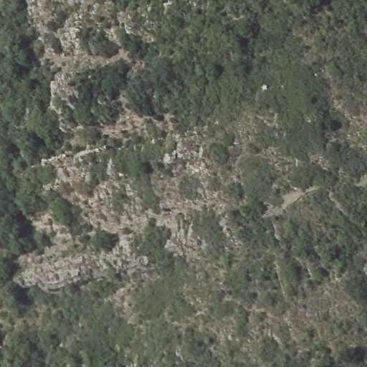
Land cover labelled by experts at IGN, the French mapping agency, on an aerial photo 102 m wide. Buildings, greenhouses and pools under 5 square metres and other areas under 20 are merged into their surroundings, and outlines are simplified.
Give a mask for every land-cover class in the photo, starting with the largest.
<instances>
[{"label":"brushwood","instance_id":"1","mask_svg":"<svg viewBox=\"0 0 367 367\"><path fill-rule=\"evenodd\" d=\"M245 23L259 24V34L254 47L255 59L249 75L244 72V67L239 62L241 47L238 40L242 39L245 32ZM304 26L310 27L311 34L317 32L320 36V40H315L317 60L311 65L301 63L304 53L310 50V46L304 44L300 37L292 36V30ZM50 59L53 62L50 69L60 67V73L65 76L66 73L75 75L69 86L75 87L79 95L69 96L67 100L56 97L54 105L62 108L63 118L69 119V123L75 125L77 130L62 132L57 122V113L50 110L49 105L44 100H39L27 106L24 119L20 123V128L26 129L22 133V139L19 145L11 143L9 146L11 155L16 158L13 162V173L19 178L20 188L14 201L19 206V212L11 215L7 222L19 227L16 237L23 238L19 247L23 255L30 252L43 254L44 249L52 247V241L56 237L54 231L46 234L33 227L34 222L39 221L40 216L46 211L52 212L47 221L49 225L62 224L60 232L72 235L73 245L62 252V258L77 257L85 252L87 254L112 251L119 242L118 235L97 228L95 237H89L92 225L80 218L82 209L70 204L63 195L80 192L92 198L99 183L108 179L106 169L109 159H112L115 171L126 173L135 179L132 189L138 192L145 211L152 209L156 214L171 212L168 206H159L161 199L153 192L152 172L161 171L163 175L172 178L173 168L178 165L188 163L198 166L204 163L206 166L212 161L221 165L222 169L232 171L235 159L244 149L237 148L234 133H229L225 128L229 122H237L245 110L254 115L258 132L254 142L248 145L251 152L249 158L242 159L239 163L244 173V185L234 182L228 186L229 196L242 199L245 195L249 198L248 205L234 209L229 216L232 224L242 229L238 238L247 247L244 261H238L234 254L225 251L229 231L227 221H219L216 216V205L202 206V211L189 209L188 219H185L183 214L176 215V227L183 229L185 238L188 237V228H194L192 237L195 238L196 244L202 245V249H206L208 244L211 245L216 251L214 259L222 257L227 261L224 282L227 290L218 292V297L228 301L224 314L237 318L238 337H248L249 311L259 313L258 321H264L272 315H285L290 308L287 302L290 295H298L300 291L302 298H307L302 282L308 284L311 290H315L318 285L324 284V278L330 275L328 272L331 270L347 271L348 280L354 278L360 287L361 297L367 300V155L363 153V149L350 148L348 145L347 133L350 122L344 118L340 110L334 108L333 102L338 100L343 103L353 115H367V0H0V72L7 79H10L11 73L14 72L17 79L23 80L33 66L44 65L46 60ZM128 109L139 116H153L159 122L165 119L166 113H172L173 128L178 130L179 135L186 130H196L198 136L209 135V138H212L216 132H222L224 140L222 143H212L205 152L204 148H199L198 152L189 151L186 146H182V158L171 161L169 153L175 151L176 140L169 148H165L166 130L156 128L155 122L146 125L149 132L146 138L139 136L138 133L122 130V135L128 142L102 133L106 126L116 125L119 115H123ZM73 136H80L90 143V148H95L96 153H89L83 156L82 162H76V168H85V171L90 173V181L80 179L79 182H63L57 191H47L43 185L53 182L57 172L52 163L42 166V159L59 153H65L67 158H73L77 152L83 151L82 146L70 143ZM298 189L302 191L301 198L292 202L281 215L264 218L268 206H281L284 195ZM199 179L192 173L179 183V194L186 199H201V194H198ZM171 229L156 225V219H149L145 232L133 238V242L129 244L130 251L135 252L136 257H143L146 271H143V274L161 275V280L152 282L148 287H142V280L136 282L135 290H128V295L135 300V311L138 315L136 320L139 324L145 325L146 334H142L140 328L128 324L125 318L116 317L113 302H103V298L115 294L129 281L128 271L120 268L116 270L118 262L103 259L108 267V274L102 277V281H97L93 277V270H87L86 280L42 290L36 284L20 287L13 278H7L4 258L9 255L7 249L0 248V307L17 308L19 317H23L29 311L30 305H46L42 325L37 327V331H30V334L20 331L16 337L11 338V345L3 344L4 331L0 333V367H222L219 357L214 356L209 350L218 340L214 334L202 333L188 327L185 334H181L179 327L173 325V321L191 317L196 310L194 305L183 298L182 287L178 284L179 274L175 272V259L173 252L169 251L175 245L169 241ZM282 344V340L280 335L275 333L274 337H265L262 340L261 358L265 367H367V350L363 347L347 348L341 351L337 360L333 358L328 361L327 356H324L321 364L317 358H313V351H308V347L284 358L278 354V345Z\"/></svg>","mask_w":367,"mask_h":367},{"label":"herbaceous vegetation","instance_id":"2","mask_svg":"<svg viewBox=\"0 0 367 367\"><path fill-rule=\"evenodd\" d=\"M292 36L300 37L304 44L310 46V50L304 53L301 63L311 65L317 60L315 40H320V36L317 32L311 34L310 27L304 26L292 30ZM75 75L66 73L65 76L60 73L50 83L49 105L50 110L57 113V122L62 132L77 130L75 125L69 123V119L63 118L62 108L54 105L56 97L67 100L69 96L79 95L75 87L69 86ZM334 108L340 110L344 118L350 122L347 133L348 145L350 148L363 149V153L367 155V115H353L343 103L338 100L333 102ZM172 113H166L165 119L159 122L153 116H139L128 109L123 115H119L116 125L106 126L102 133L128 142L122 135V130L138 133L139 136L146 138L149 132L146 125L155 122L156 128L166 130L165 148H169L176 140L175 151L169 153L171 161L182 158V146H186L189 151L198 152L199 148H204L205 152L212 143H222L224 140L222 132H216L212 138H209V135L198 136L196 130H186L179 135L178 130L173 128ZM229 133H234L237 148L244 149L235 159L232 171L222 169L221 165L212 161L206 166L204 163L198 166L188 163L178 165L173 168L172 178L163 175L161 171L152 172L153 192L161 199L159 206H168L171 212L156 214L152 209L145 211L138 192L132 189L135 179L126 173L115 171L112 159H109L106 169L108 179L99 183L92 198L80 192L63 195L70 204L82 209L80 218L92 225L89 237H95L97 228L118 235L119 242L112 251L87 254L85 252L77 257L62 258V252L73 245L72 235L60 232L62 224L49 225L47 221L52 212L46 211L40 216L39 221L34 222L33 227L46 234L54 231L56 237L52 241V247L44 249L43 254L30 252L23 255H9L4 258L7 278H13L20 287L36 284L42 290L86 280L87 270H93V277L97 281H102V277L108 274V267L103 259L118 262L116 270L120 268L128 271L129 281L115 294L103 298V302H113L116 317L125 318L128 324L140 328L142 334H146L145 325L139 324L136 320L138 315L135 311V300L128 295V290H135L136 282L142 280V287H148L152 282L161 280V275L143 274V271H146L143 257H136L135 252L130 251L129 244L133 242V238L145 232L149 219H156V225L171 229L169 241L175 245L169 251L173 252L175 259V272L179 274L178 284L182 287L183 298L194 305L196 310L191 317L173 321V325L179 327L181 334H185L188 327L202 333L214 334L218 340L209 350L214 356L219 357L222 367H265L261 358L262 340L265 337H274L275 333L280 335L282 340V344L278 345V354L284 358L308 347V351H313V358H317L321 364L324 356H327L328 361L333 358L337 360L341 351L347 348L363 347L367 350V320L358 313V302L345 291V281L348 280L347 271L331 270L328 272L330 275L324 278V284L318 285L315 290H311L308 284L302 282L307 298H302L300 291L298 295H290L287 302L290 308L285 315H272L264 321H258L259 313L249 311L248 337H238L237 318L224 314L228 301L218 297V292L227 290L224 282L227 261L222 257L214 259L216 251L211 245L208 244L206 249H202V245L196 244L195 238L192 237L194 228H188V237L185 238L183 229L176 227V215L183 214L185 219H188L189 209L202 211V206L216 205V216L219 221H227L229 231L225 251L234 254L238 261H244L247 247L238 238L242 229L232 224L229 216L234 209L248 205L249 198L245 195L242 199L229 196L228 186L234 182L244 185V173L239 163L242 159L249 158L251 152L248 145L254 142L258 132L254 115L245 110L237 122H229L225 128ZM192 173L199 179L198 194H201V199H186L179 194V183ZM70 143L82 146L83 151L77 152L73 158H67L65 153H59L42 159V166L52 163L57 172L53 182L43 185L47 191H57L63 182H79L80 179L90 181V173L85 171V168H76V162H82L83 156L89 153H96L95 148H90V143L80 136H73ZM302 191L298 189L284 195L281 206H268L264 218L281 215L292 202L301 198ZM46 305H30L29 311L23 317H19L17 308L0 307V333L4 331L3 344L11 345V338L16 337L20 331L30 334V331H37V327L42 325Z\"/></svg>","mask_w":367,"mask_h":367},{"label":"deciduous trees","instance_id":"3","mask_svg":"<svg viewBox=\"0 0 367 367\"><path fill-rule=\"evenodd\" d=\"M259 34V24L245 23V32L242 39L238 40L241 47L239 62L244 67V72L249 75L255 59L254 47ZM53 62L50 59L46 60L44 65L33 66L23 80L17 79L14 72L11 73L10 79H7L0 72V248L7 249L9 255H23L19 247L23 238L16 237L19 227L7 222L11 215L19 212V206L14 201L20 188L19 178L13 173V162L16 158L11 155L9 146L11 143L19 145L22 139V133L26 129L20 128V123L24 119L27 106L39 100H44L49 105L50 83L60 73V67L50 69ZM345 291L358 302V313L367 320V300L361 297L360 287L354 278L345 281Z\"/></svg>","mask_w":367,"mask_h":367}]
</instances>
